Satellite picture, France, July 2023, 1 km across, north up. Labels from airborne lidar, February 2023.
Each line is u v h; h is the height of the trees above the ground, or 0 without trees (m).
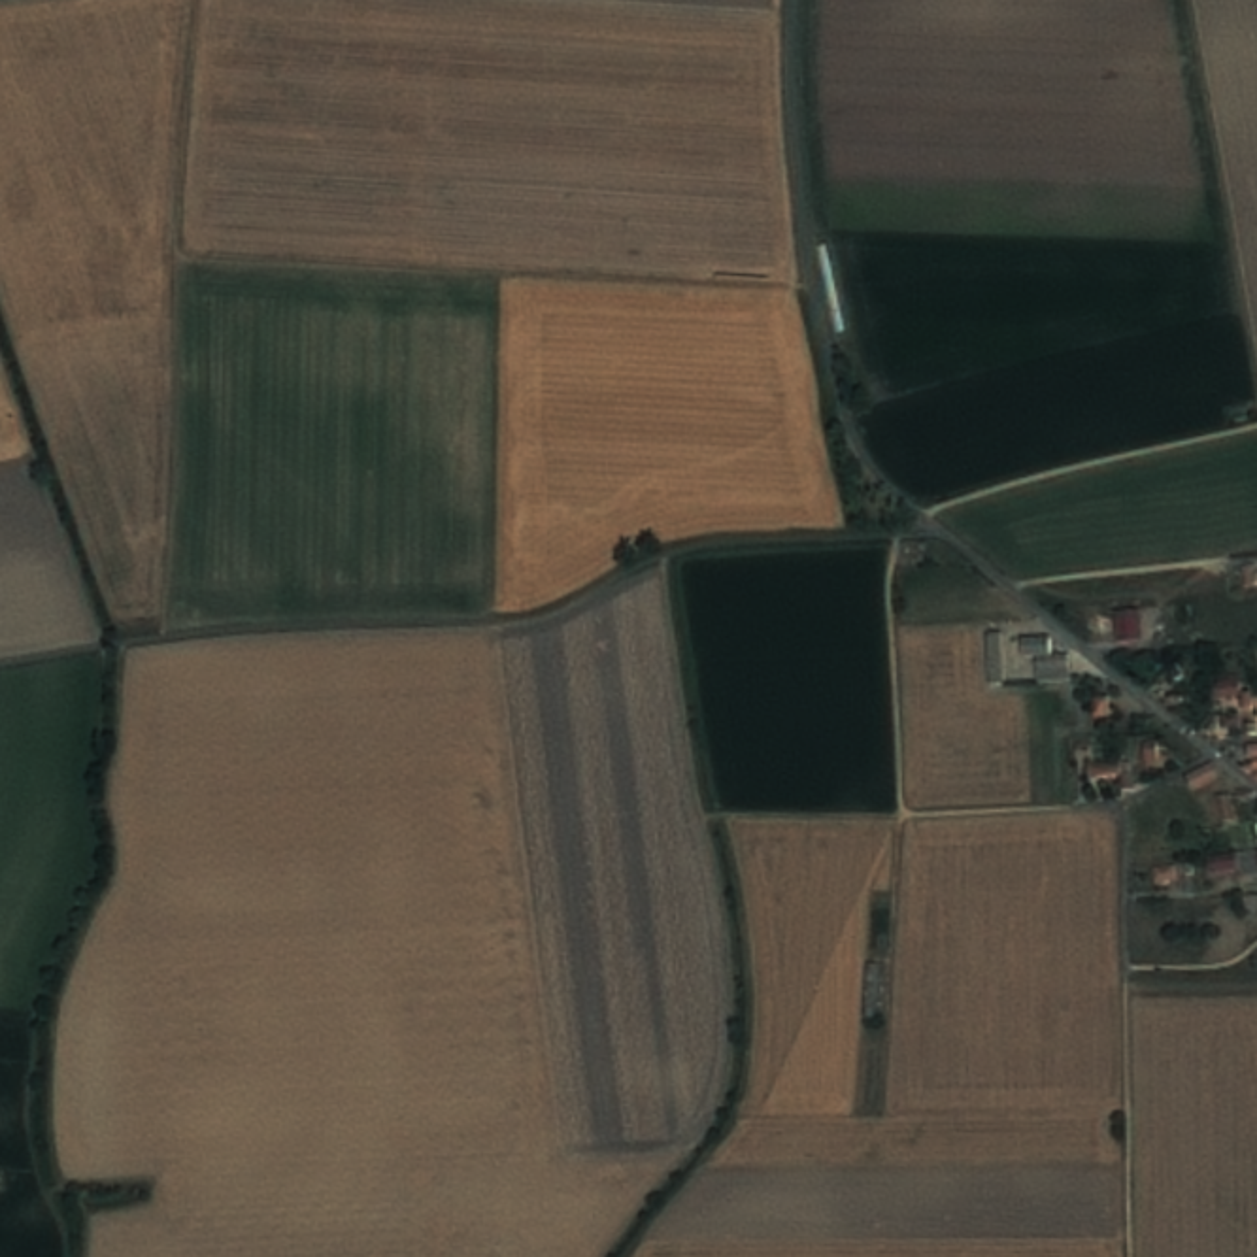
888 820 0
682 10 0
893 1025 0
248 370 0
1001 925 0
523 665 0
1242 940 0
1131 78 0
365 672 0
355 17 0
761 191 0
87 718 0
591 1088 0
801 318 0
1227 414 0
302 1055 0
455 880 0
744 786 0
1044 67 0
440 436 0
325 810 0
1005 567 0
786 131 0
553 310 0
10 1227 0
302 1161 0
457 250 0
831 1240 0
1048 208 0
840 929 0
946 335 0
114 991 0
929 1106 0
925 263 0
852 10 0
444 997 0
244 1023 0
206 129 0
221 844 0
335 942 0
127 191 0
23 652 0
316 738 0
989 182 0
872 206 0
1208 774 0
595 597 0
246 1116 0
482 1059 0
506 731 0
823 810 0
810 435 0
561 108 0
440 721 0
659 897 0
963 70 0
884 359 0
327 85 0
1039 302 0
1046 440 0
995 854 0
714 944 0
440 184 0
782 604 0
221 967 0
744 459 0
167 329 0
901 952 0
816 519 0
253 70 0
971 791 0
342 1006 0
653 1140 0
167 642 0
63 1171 0
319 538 0
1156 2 0
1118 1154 0
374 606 0
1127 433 0
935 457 0
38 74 0
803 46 0
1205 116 0
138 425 0
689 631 0
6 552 0
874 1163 0
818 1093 0
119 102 0
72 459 0
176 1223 0
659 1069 0
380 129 0
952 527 0
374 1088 0
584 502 0
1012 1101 0
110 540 0
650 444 0
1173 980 0
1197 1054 0
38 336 0
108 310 0
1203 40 0
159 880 0
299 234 0
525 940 0
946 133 0
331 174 0
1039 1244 0
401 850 0
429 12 0
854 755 0
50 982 14
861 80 0
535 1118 0
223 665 0
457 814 0
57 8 0
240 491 0
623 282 0
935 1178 0
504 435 0
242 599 0
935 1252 0
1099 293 0
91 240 0
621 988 0
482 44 0
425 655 0
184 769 0
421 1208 0
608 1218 0
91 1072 0
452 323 0
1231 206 0
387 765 0
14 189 0
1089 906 0
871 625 0
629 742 0
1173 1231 0
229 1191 0
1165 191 0
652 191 0
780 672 0
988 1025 0
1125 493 0
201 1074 0
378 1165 0
